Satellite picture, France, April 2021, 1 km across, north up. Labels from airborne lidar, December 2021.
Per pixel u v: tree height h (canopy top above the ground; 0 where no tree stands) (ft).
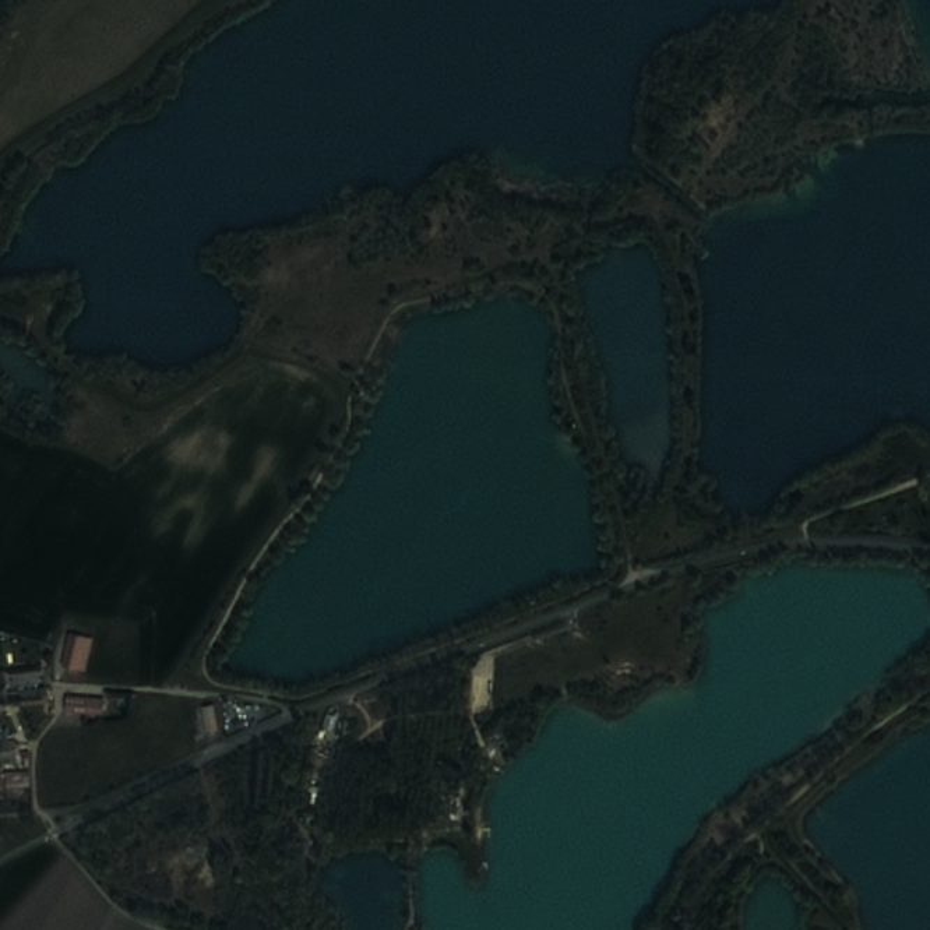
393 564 0
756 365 0
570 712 0
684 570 0
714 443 0
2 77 0
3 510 0
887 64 0
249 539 0
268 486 0
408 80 0
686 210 36
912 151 0
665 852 0
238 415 0
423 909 0
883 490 26
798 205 0
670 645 0
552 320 37
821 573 0
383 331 0
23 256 0
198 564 0
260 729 0
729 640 0
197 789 41
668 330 19
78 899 0
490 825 0
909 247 0
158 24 0
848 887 42
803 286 0
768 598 0
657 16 0
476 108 0
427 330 0
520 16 0
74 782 0
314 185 0
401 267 0
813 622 0
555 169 0
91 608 0
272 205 0
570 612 0
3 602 0
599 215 45
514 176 0
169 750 0
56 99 0
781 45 29
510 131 0
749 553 0
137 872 0
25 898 0
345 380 0
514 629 0
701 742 0
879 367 0
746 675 0
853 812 0
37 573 0
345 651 0
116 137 0
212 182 0
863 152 0
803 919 38
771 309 0
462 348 0
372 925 0
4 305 0
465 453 0
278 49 0
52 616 0
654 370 0
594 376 44
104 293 0
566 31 0
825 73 40
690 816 0
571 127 0
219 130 0
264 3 33
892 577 0
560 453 0
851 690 0
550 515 0
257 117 0
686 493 28
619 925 0
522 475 0
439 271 0
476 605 0
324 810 71
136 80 0
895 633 0
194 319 0
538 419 0
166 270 0
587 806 0
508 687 0
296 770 68
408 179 0
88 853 36
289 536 51
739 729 0
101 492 0
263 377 0
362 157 0
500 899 0
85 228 0
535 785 0
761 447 0
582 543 0
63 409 44
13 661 0
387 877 0
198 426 0
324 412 0
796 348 0
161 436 0
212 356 48
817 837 0
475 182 57
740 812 0
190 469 0
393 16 0
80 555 0
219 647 37
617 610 0
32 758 0
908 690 48
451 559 0
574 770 0
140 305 0
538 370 0
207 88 0
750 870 48
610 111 0
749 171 22
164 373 55
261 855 61
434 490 0
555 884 0
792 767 37
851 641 0
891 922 0
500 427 0
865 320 0
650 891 0
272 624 0
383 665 93
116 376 29
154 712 0
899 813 0
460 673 84
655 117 23
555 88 0
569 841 0
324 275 0
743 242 0
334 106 0
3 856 0
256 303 0
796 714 0
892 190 0
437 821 81
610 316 0
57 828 0
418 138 0
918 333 0
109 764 0
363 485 0
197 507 0
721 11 30
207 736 0
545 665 0
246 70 0
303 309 0
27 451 0
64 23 0
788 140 20
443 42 0
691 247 45
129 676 0
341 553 0
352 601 0
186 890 0
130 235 0
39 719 0
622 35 0
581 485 0
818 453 0
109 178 0
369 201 29
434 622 0
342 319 0
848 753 73
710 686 0
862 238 0
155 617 0
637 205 0
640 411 0
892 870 0
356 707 0
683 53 48
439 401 0
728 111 0
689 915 43
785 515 63
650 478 0
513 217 42
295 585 0
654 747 0
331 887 0
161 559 0
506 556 0
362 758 82
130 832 32
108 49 0
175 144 0
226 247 44
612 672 0
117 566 0
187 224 0
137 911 66
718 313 0
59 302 0
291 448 0
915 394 0
